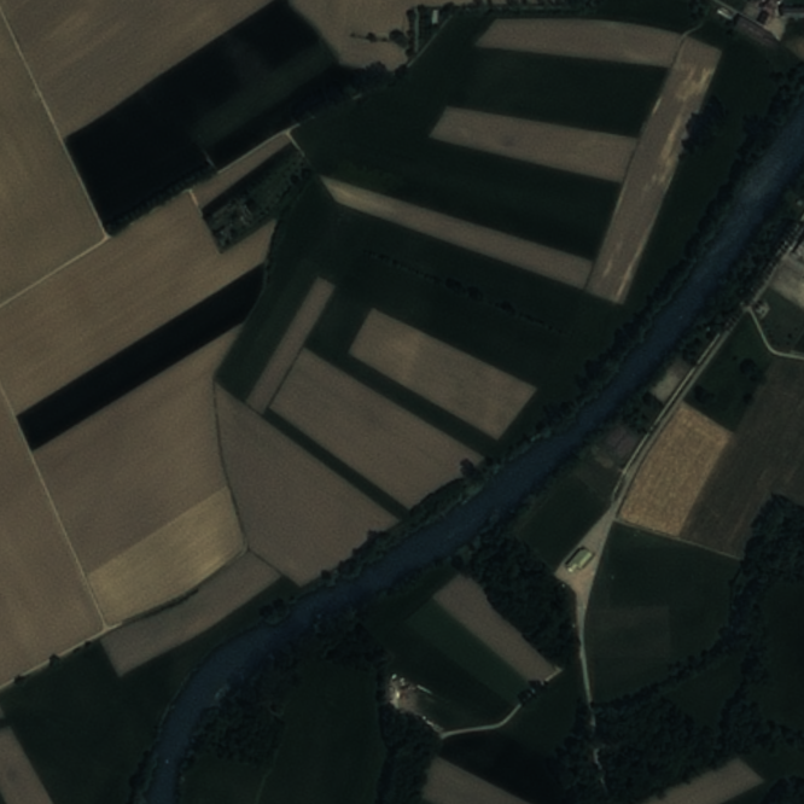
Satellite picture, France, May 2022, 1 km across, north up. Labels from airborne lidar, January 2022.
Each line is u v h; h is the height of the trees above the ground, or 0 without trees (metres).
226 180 0
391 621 0
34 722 0
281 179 0
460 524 0
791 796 24
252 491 0
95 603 0
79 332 0
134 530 0
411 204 0
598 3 13
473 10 14
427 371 0
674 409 0
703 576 0
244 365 0
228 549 0
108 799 0
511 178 0
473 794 0
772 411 0
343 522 0
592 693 0
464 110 0
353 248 0
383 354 0
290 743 0
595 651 0
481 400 0
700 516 0
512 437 0
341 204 0
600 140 0
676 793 0
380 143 0
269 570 0
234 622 0
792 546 22
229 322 0
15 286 0
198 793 0
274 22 0
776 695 0
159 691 0
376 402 0
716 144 0
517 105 0
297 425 0
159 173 0
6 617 0
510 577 20
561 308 0
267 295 0
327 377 0
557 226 0
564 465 19
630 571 0
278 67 0
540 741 0
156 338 0
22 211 0
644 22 0
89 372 0
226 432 0
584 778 19
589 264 0
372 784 0
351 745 0
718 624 0
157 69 0
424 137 0
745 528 0
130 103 0
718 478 0
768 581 16
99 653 0
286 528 0
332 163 0
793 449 0
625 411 15
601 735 16
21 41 0
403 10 0
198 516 0
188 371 0
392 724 16
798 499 0
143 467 0
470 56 0
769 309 0
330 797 0
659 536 0
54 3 0
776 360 0
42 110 0
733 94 0
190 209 0
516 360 0
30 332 0
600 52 0
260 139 0
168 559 0
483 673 0
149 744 0
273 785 0
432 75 0
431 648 0
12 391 0
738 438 0
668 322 0
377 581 0
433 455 0
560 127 0
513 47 0
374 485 0
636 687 0
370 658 25
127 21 0
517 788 0
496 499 0
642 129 0
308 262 0
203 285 0
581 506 0
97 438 0
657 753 27
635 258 0
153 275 0
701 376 0
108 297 0
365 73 0
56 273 0
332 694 0
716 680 0
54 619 0
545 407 0
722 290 17
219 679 0
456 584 0
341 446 0
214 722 15
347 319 0
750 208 0
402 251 0
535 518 0
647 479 0
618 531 0
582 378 0
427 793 0
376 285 0
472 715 0
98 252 0
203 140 0
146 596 0
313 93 0
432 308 0
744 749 21
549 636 21
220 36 0
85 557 0
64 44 0
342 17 0
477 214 0
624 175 0
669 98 0
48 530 0
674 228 0
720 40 0
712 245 0
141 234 0
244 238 0
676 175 0
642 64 0
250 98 0
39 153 0
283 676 34
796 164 0
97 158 0
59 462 0
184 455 0
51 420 0
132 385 0
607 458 0
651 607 0
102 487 0
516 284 0
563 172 0
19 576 0
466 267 0
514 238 0
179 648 0
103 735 0
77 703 0
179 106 0
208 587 0
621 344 17
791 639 0
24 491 0
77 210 0
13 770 0
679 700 0
